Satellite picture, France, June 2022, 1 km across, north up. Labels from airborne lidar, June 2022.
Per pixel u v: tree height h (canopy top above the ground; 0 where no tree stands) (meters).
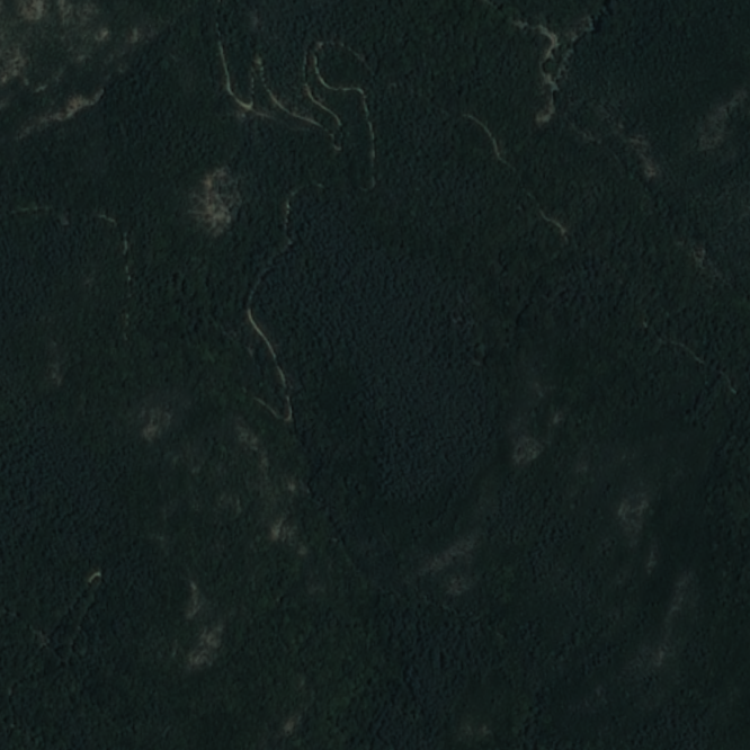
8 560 17
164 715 13
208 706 9
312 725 15
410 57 16
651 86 6
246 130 8
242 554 5
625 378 6
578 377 10
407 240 13
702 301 13
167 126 16
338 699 16
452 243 9
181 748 12
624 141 7
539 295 16
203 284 15
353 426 8
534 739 20
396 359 15
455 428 16
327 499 14
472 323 13
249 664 14
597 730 6
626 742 6
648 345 6
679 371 15
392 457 17
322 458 8
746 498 15
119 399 8
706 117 9
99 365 14
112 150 9
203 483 7
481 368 14
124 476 12
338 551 12
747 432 13
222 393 11
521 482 11
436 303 16
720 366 17
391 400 16
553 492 16
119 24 7
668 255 14
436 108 17
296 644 9
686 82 8
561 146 10
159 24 7
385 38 12
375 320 16
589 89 8
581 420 11
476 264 14
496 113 8
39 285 14
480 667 15
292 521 7
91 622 14
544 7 8
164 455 8
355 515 8
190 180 9
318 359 8
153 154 14
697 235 8
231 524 6
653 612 7
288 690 8
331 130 11
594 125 10
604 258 15
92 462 14
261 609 12
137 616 10
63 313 6
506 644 10
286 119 7
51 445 12
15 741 17
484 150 9
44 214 9
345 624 19
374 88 11
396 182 7
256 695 12
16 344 9
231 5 7
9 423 13
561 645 5
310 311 12
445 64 15
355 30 16
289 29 11
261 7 6
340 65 8
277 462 9
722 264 7
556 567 8
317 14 13
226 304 14
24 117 8
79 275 7
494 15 14
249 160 6
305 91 9
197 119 11
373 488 7
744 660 6
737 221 6
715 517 10
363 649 16
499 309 7
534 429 7
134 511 9
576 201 15
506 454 6
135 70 5
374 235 9
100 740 10
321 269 10
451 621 12
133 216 11
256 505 6
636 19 12
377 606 9
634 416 5
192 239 8
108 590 10
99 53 7
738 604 9
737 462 13
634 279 15
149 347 14
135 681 12
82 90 7
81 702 11
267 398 9
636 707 8
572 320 10
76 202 11
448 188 16
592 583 10
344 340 12
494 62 9
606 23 23
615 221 12
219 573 13
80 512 18
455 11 17
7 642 14
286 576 18
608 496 9
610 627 10
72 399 10
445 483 14
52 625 16
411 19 14
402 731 17
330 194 15
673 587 5
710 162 9
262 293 11
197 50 11
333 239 15
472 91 13
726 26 9
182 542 7
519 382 7
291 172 9
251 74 10
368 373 15
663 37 11
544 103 9
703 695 6
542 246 13
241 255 12
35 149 9
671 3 13
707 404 20
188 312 24
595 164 10
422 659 16
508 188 12
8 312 16
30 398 9
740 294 16
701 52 8
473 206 10
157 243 14
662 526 6
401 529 6
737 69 7
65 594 12
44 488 17
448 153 8
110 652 18
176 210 6
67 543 12
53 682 12
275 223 9
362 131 7
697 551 6
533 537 9
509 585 9
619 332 9
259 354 10
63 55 7
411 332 15
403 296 15
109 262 9
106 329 8
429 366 15
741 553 10
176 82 6
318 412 13
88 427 11
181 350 17
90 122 6
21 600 12
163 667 10
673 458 7
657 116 7
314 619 7
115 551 9
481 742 9
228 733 9
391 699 6
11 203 14
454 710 12
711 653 11
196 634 6
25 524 15
